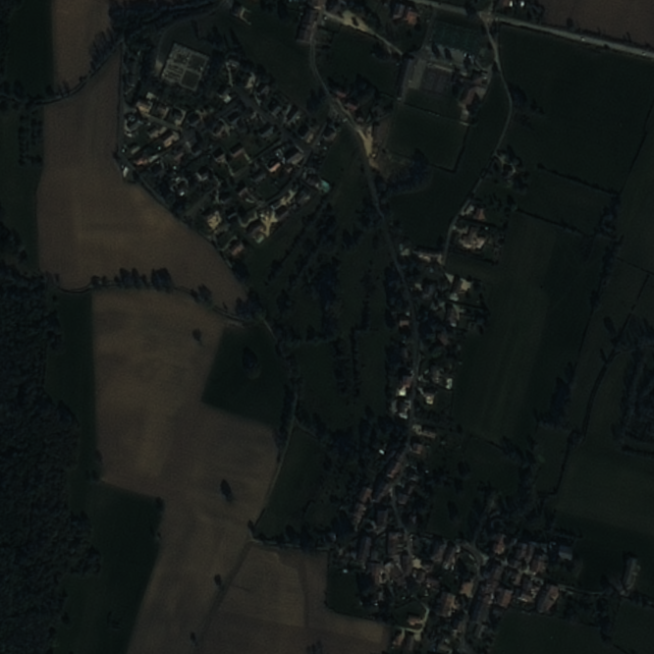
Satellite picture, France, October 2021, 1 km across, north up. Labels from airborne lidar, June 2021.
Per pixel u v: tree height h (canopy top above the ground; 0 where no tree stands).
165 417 0
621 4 0
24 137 6
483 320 10
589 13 0
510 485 0
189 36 0
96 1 0
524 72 0
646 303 0
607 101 0
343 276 0
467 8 0
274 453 0
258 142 5
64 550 7
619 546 0
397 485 0
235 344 0
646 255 0
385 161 0
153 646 0
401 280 11
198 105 11
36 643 27
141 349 0
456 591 0
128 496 0
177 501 0
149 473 0
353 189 0
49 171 0
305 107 0
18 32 0
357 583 0
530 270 0
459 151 0
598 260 0
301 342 15
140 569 0
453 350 7
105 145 0
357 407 0
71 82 0
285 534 0
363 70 0
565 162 0
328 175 0
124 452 0
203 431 0
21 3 11
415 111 0
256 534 10
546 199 0
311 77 0
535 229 0
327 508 0
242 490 0
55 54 0
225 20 0
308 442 0
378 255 0
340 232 0
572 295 0
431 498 15
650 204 0
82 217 0
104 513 0
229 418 0
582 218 0
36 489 12
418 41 0
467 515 0
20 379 25
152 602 0
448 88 0
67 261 0
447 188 0
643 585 0
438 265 12
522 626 0
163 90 13
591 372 0
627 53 0
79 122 0
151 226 0
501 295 0
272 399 0
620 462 0
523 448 0
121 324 0
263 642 0
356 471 0
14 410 26
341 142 0
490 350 0
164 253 0
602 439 0
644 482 0
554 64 0
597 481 0
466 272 0
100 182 0
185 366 0
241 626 0
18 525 12
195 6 10
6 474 20
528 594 0
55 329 17
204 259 0
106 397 0
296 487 0
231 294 0
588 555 0
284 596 0
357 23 7
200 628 0
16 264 0
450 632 7
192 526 0
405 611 0
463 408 0
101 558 11
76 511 0
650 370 0
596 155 0
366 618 0
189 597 0
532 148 0
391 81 0
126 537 0
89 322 0
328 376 0
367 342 0
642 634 0
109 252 0
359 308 0
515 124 0
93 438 0
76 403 0
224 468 0
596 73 0
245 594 0
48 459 18
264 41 0
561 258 0
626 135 0
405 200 0
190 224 11
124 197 0
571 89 0
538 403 0
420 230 0
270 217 0
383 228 10
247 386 0
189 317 0
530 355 0
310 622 0
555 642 0
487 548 6
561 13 0
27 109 9
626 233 0
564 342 0
